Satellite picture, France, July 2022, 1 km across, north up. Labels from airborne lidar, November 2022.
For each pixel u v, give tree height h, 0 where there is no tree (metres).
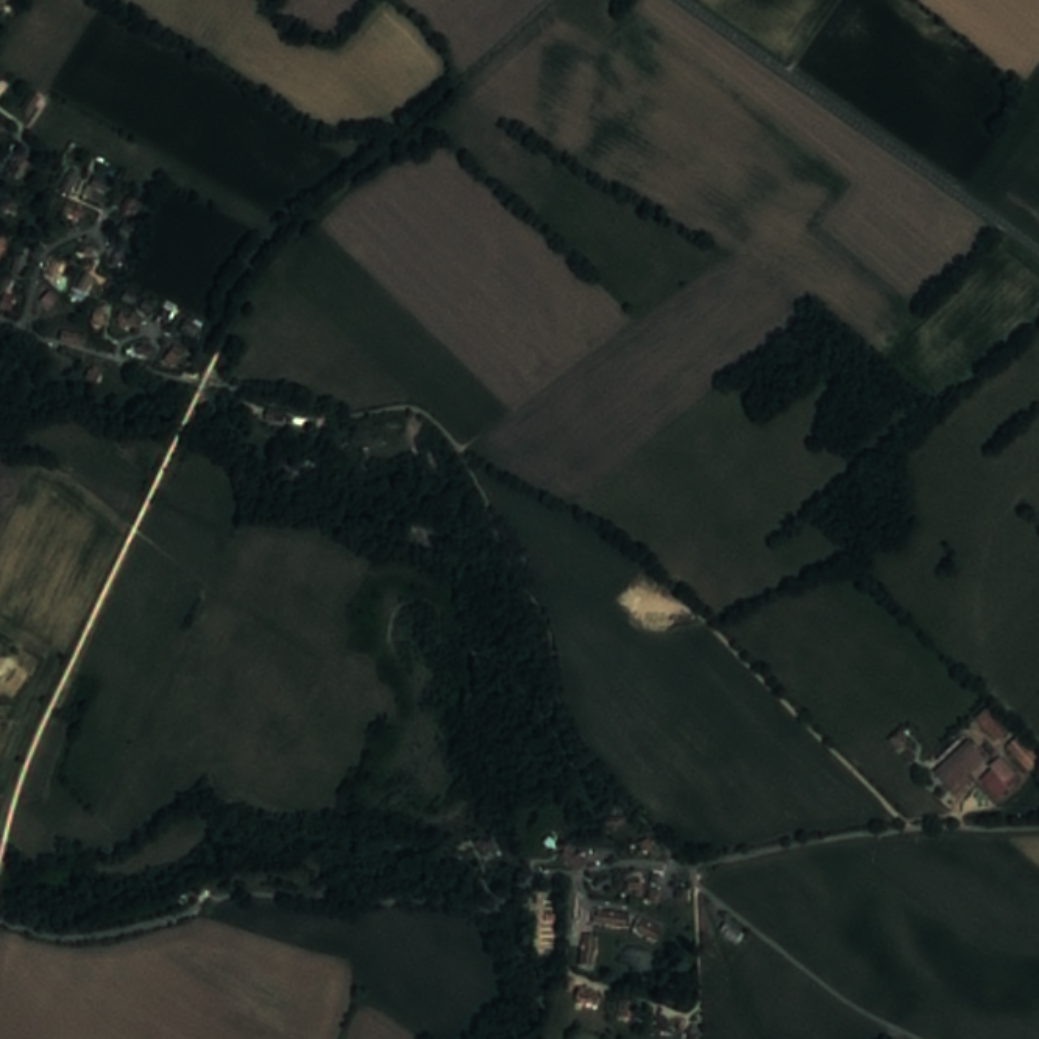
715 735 0
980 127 0
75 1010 0
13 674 0
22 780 0
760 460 0
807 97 0
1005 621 0
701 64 0
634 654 0
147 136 0
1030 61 0
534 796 21
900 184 0
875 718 0
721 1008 0
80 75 0
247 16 0
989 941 0
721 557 0
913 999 0
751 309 0
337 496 13
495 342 0
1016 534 0
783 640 0
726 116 0
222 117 0
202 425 13
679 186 0
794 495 0
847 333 18
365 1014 0
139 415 19
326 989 0
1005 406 0
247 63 0
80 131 0
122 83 0
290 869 7
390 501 21
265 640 0
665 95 0
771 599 13
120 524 0
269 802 0
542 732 15
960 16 0
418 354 0
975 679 12
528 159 0
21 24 0
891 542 22
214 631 0
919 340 0
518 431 0
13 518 0
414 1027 0
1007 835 0
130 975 0
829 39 0
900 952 0
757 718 0
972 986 0
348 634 0
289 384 10
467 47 0
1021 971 0
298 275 0
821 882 0
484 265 0
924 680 0
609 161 0
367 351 0
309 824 12
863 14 0
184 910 10
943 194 0
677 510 0
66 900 22
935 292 18
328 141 17
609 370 0
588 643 0
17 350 16
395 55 0
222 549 0
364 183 13
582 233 0
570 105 0
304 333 0
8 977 0
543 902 0
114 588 0
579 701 0
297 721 0
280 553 0
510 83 0
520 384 0
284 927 0
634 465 0
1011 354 17
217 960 0
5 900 17
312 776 0
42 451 14
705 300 0
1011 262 0
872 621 0
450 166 0
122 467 0
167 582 0
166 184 20
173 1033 0
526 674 17
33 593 0
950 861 0
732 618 14
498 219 0
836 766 0
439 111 9
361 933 0
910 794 0
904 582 0
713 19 0
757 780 0
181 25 0
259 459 11
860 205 0
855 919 0
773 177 0
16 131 9
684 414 0
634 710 0
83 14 0
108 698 0
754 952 0
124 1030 0
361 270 0
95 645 0
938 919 0
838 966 0
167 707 0
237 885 8
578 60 0
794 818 0
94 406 17
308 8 0
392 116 0
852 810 0
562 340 0
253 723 0
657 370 0
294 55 0
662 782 0
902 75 0
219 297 16
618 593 0
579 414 0
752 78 0
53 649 0
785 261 0
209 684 0
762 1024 0
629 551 17
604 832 13
